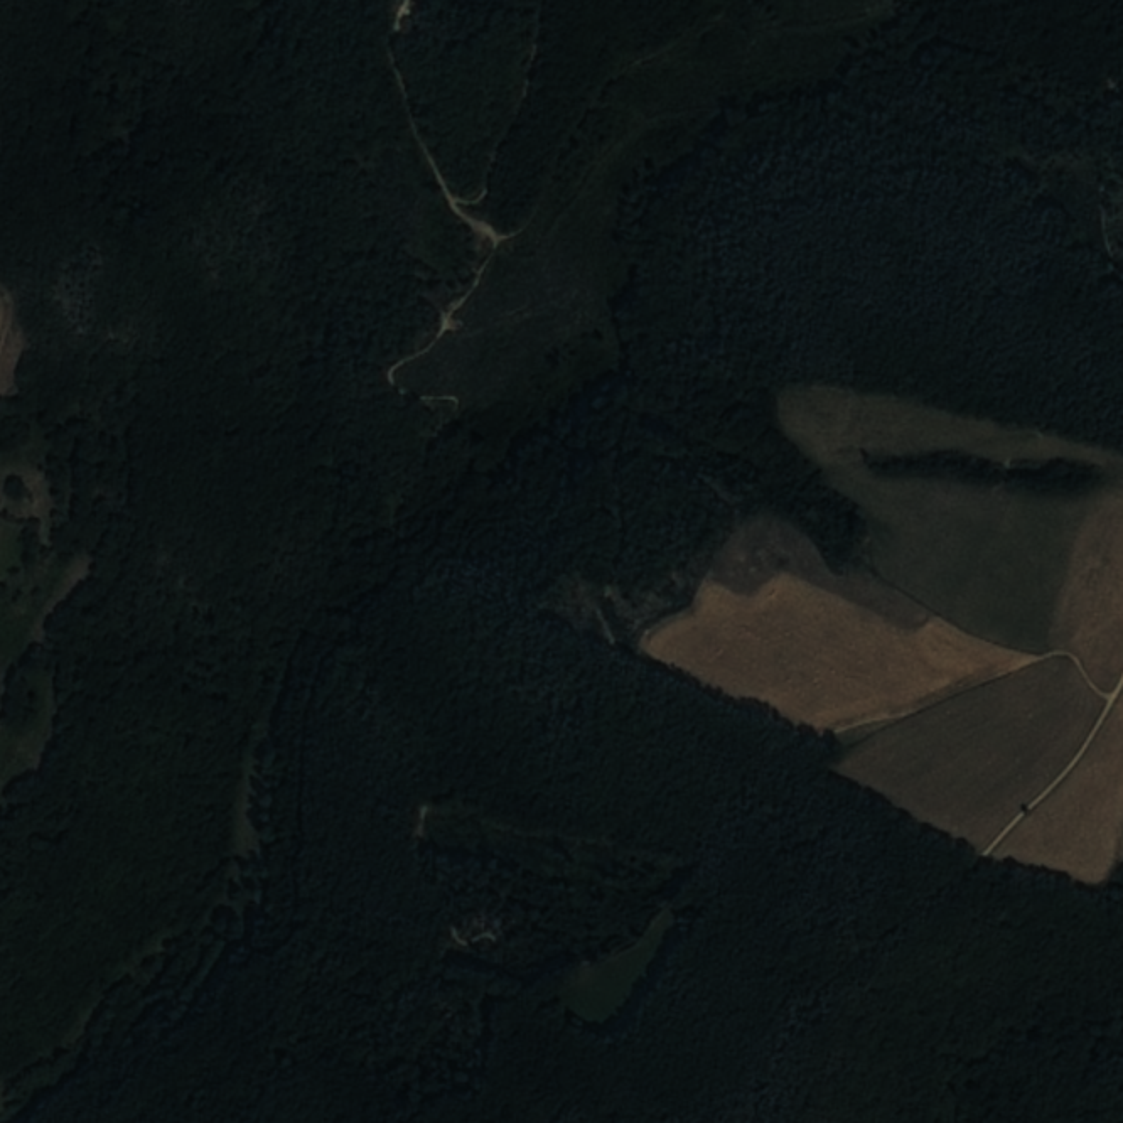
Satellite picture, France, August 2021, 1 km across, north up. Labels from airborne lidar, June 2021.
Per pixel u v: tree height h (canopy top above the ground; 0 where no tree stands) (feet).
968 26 50
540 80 56
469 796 103
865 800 52
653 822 64
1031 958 74
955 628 0
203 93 82
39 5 75
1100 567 0
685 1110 71
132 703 68
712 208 39
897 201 66
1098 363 53
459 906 40
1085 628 0
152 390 63
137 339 26
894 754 0
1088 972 59
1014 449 0
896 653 0
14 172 71
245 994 66
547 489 63
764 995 64
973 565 0
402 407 61
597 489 78
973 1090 88
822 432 0
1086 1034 96
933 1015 82
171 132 84
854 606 0
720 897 83
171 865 73
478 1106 81
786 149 43
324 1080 83
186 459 80
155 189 79
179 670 59
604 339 88
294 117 72
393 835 58
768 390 32
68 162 71
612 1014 0
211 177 86
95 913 70
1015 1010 78
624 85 36
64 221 59
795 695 0
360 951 85
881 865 75
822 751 64
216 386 81
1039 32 58
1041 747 0
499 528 58
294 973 59
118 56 82
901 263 52
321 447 101
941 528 0
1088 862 0
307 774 60
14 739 0
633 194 98
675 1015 72
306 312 74
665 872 47
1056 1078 53
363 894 58
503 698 52
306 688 47
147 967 56
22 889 74
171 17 54
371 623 84
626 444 93
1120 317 60
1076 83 43
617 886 52
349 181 63
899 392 68
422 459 83
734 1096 64
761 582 0
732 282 45
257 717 53
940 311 66
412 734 58
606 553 74
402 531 39
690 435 29
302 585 52
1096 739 0
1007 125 42
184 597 65
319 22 69
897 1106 49
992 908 69
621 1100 69
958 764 0
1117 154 46
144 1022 81
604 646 64
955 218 66
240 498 82
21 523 23
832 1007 70
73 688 70
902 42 73
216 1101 49
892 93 69
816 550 0
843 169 61
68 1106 72
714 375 48
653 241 81
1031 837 0
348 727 53
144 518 55
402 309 42
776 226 58
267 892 44
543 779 62
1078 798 0
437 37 19
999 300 53
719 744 64
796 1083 59
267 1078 52
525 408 22
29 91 75
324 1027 54
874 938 60
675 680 64
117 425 42
